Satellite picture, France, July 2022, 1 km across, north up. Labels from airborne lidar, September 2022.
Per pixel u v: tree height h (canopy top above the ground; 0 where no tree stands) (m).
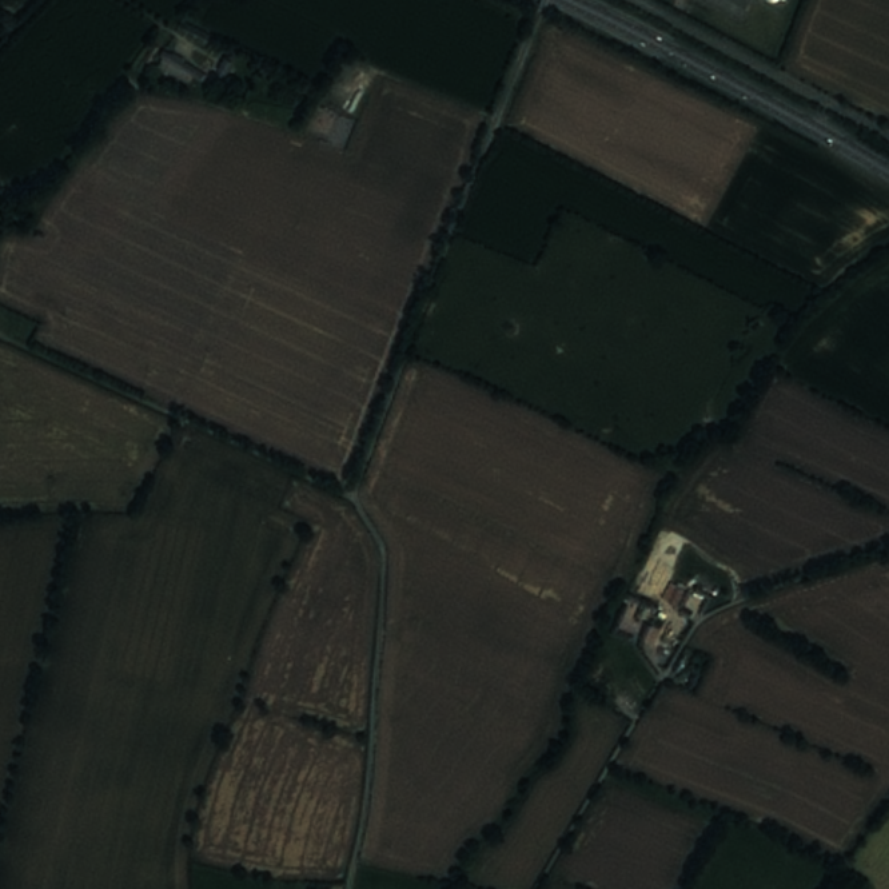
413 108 0
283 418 0
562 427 12
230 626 0
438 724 0
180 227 0
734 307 0
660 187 0
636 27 0
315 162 0
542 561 0
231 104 25
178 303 0
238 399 0
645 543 11
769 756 0
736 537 0
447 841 0
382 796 0
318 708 0
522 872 0
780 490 0
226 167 0
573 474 0
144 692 0
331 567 0
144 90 14
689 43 10
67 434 0
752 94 0
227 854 0
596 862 0
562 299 0
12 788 13
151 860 0
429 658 0
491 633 0
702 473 0
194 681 0
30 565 0
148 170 0
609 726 0
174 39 0
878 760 0
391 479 0
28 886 0
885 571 0
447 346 0
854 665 0
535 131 0
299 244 0
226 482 0
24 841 0
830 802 0
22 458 0
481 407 0
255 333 0
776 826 16
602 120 0
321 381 0
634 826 0
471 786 0
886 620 0
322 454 0
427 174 0
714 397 0
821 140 0
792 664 0
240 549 0
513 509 0
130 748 0
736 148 0
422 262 0
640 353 0
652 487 0
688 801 13
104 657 0
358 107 0
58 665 0
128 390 10
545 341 0
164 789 0
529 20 12
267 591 0
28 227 15
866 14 0
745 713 11
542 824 0
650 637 0
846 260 0
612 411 0
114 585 0
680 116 0
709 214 0
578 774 0
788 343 10
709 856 18
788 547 0
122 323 0
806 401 0
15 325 0
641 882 0
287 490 0
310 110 14
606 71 0
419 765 0
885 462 0
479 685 0
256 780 0
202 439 0
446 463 0
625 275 0
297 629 0
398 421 0
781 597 0
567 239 0
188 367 0
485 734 0
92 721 0
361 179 0
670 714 0
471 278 0
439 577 0
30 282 0
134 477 0
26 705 16
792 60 0
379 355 0
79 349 0
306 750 0
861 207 0
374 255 0
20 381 0
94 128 28
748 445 0
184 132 0
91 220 0
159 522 0
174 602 0
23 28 12
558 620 0
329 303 0
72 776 0
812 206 0
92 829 0
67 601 0
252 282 0
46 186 30
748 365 0
